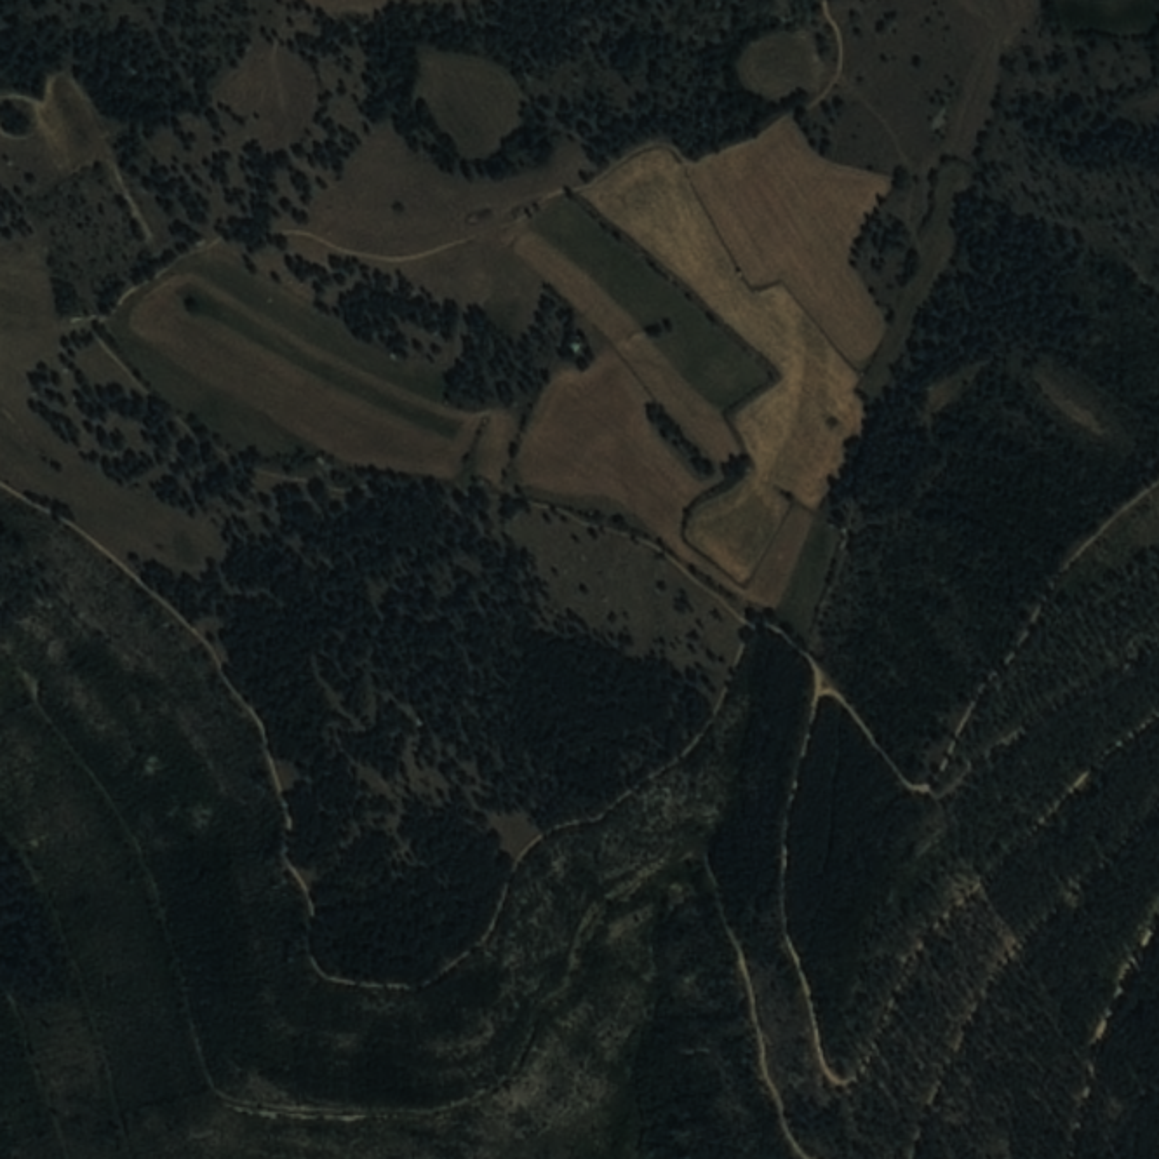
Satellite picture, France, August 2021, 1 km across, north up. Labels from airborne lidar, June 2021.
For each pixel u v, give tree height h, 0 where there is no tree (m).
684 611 8
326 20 11
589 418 0
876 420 13
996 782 21
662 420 11
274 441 0
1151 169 18
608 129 11
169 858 6
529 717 13
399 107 18
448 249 0
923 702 6
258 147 9
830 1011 9
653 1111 8
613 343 0
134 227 12
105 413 13
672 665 7
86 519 0
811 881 11
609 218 0
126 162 10
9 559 16
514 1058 6
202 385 0
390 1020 5
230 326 0
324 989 6
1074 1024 19
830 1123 22
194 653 8
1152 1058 24
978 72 0
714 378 0
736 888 6
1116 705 20
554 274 0
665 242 0
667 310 0
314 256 0
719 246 0
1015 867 24
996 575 8
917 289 0
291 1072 7
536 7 11
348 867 8
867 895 12
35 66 18
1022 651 11
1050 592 12
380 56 14
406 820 11
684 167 0
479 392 17
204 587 10
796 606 0
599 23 9
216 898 6
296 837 10
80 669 6
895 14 7
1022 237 14
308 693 7
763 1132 5
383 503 19
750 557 0
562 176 0
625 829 10
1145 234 17
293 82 0
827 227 0
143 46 6
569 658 6
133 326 0
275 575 12
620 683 12
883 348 0
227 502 12
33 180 9
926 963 27
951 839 15
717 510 0
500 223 0
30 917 30
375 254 0
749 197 0
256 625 13
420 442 0
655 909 7
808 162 0
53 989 28
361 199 0
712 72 17
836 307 0
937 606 8
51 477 0
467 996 7
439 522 18
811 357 0
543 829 15
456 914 11
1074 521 7
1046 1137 22
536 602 9
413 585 14
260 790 5
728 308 0
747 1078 9
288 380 0
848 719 11
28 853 5
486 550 14
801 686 9
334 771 10
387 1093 9
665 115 9
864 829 11
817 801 11
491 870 14
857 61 0
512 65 6
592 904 7
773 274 0
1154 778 23
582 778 12
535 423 0
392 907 12
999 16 0
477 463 0
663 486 0
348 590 14
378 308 10
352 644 14
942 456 14
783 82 0
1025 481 6
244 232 11
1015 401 6
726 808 6
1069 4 0
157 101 7
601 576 0
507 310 0
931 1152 24
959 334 13
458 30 17
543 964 9
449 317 13
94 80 13
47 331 0
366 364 0
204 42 6
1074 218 17
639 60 17
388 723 9
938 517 11
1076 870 23
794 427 0
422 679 17
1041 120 10
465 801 11
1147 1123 14
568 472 0
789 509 0
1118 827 28
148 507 0
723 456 0
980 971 21
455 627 16
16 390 0
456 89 0
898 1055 24
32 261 0
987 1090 22
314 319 0
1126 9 0
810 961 9
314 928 12
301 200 8
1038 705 20
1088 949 24
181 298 0
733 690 8
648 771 12
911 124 0
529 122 7
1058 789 18
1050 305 15
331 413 0
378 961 14
